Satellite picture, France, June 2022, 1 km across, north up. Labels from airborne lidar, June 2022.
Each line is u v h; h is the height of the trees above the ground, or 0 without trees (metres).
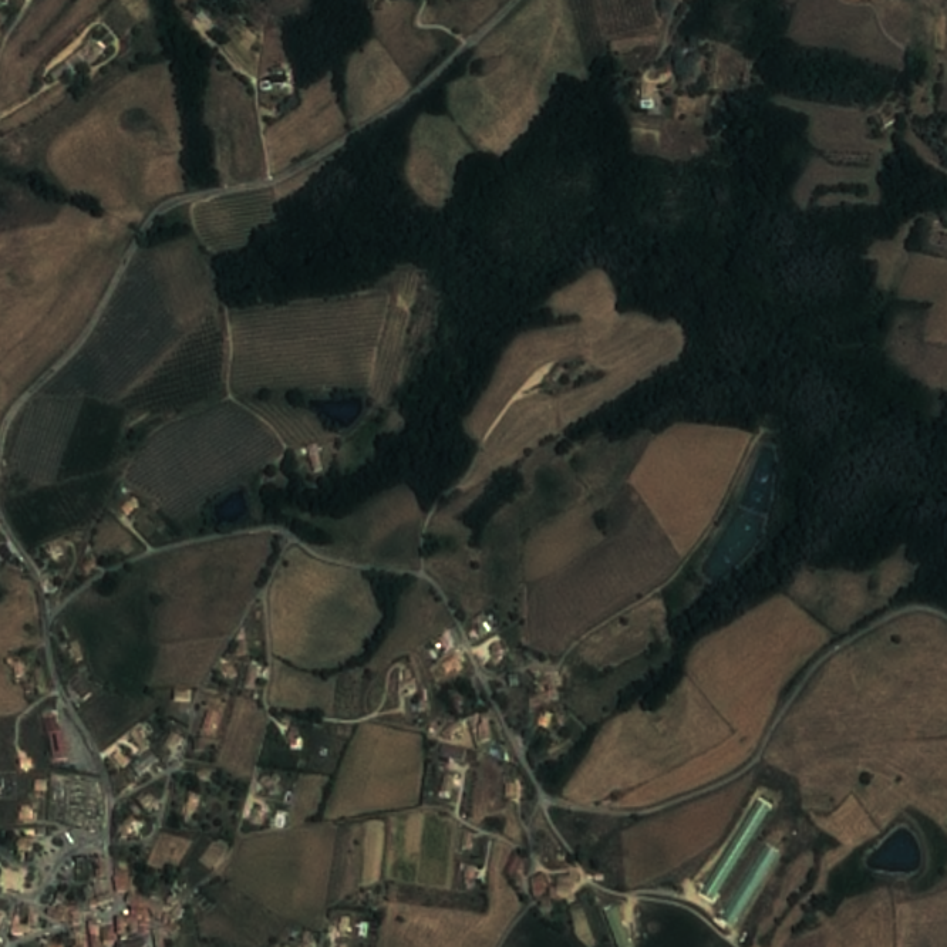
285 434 0
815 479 15
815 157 0
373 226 16
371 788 0
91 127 0
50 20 0
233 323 0
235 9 7
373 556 0
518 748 0
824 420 15
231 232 0
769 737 0
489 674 0
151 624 0
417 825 0
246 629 0
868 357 6
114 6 0
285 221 12
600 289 0
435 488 14
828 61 13
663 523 0
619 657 0
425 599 0
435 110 7
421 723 0
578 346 0
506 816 0
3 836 10
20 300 0
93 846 0
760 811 0
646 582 0
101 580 6
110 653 0
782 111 14
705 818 0
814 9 0
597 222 12
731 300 20
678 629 21
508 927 0
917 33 0
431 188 0
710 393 17
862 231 8
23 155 0
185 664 0
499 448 0
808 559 12
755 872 0
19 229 0
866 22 0
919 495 10
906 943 0
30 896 0
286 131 0
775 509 10
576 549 0
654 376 9
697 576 5
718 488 0
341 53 11
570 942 0
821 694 0
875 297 19
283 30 8
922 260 0
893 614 0
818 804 0
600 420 10
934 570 12
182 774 7
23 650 7
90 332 0
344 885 0
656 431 9
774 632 0
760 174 27
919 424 16
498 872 0
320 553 0
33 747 0
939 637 0
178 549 0
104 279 0
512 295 20
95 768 0
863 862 0
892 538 13
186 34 12
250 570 0
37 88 12
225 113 0
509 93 0
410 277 0
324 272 20
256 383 0
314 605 0
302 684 0
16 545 0
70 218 0
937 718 0
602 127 17
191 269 0
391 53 0
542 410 0
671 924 0
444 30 0
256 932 0
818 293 11
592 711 0
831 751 0
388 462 17
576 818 0
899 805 0
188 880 0
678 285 14
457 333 12
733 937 0
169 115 0
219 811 0
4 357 0
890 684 0
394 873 0
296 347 0
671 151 0
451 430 18
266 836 0
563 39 0
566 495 0
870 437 18
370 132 13
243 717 0
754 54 9
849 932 0
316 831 0
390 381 0
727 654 0
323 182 10
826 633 0
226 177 0
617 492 0
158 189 0
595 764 0
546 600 0
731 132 15
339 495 21
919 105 0
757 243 17
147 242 10
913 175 13
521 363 0
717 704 0
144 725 0
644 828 0
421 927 0
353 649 0
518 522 0
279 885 0
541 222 8
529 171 7
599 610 0
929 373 0
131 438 8
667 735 0
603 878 0
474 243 18
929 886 0
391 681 0
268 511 12
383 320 0
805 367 11
